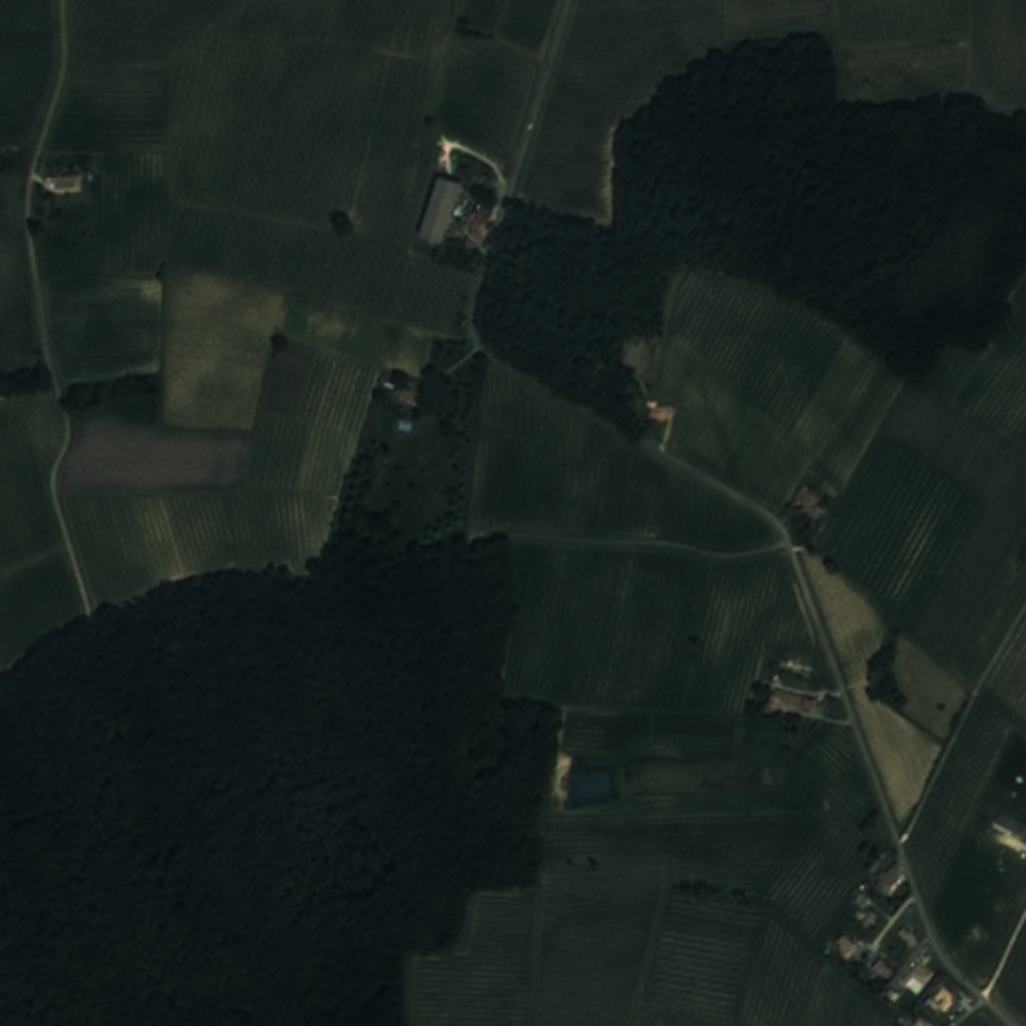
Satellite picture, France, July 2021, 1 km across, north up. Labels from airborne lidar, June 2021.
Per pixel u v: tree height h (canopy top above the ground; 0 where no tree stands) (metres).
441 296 0
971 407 0
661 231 20
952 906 0
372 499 0
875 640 0
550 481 0
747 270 16
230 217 0
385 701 20
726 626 0
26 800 23
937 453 0
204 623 19
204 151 0
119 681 25
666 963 0
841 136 26
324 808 28
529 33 0
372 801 29
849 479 0
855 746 0
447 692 24
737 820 0
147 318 0
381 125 0
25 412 0
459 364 0
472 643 22
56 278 0
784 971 0
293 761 17
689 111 22
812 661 0
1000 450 0
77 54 0
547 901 0
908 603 0
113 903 19
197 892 21
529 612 0
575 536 0
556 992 0
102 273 0
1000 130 11
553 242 20
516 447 0
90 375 0
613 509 0
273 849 17
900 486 0
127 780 27
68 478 0
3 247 0
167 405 0
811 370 0
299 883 23
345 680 21
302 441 0
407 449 0
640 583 0
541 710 17
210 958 21
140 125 0
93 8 0
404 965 11
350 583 19
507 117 0
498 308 15
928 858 0
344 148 0
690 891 19
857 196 19
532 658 0
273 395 0
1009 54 0
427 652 21
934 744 0
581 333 21
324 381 0
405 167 0
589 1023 0
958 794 0
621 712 0
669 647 0
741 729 0
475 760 22
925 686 0
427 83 0
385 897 25
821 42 18
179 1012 20
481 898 0
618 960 0
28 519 0
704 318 0
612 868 0
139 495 0
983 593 0
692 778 0
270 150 0
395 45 0
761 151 27
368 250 0
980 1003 0
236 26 0
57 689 25
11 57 0
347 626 22
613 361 19
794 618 0
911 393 0
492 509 0
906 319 16
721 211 20
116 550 0
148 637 26
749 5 0
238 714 21
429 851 28
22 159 0
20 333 0
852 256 22
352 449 0
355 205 0
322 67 0
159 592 13
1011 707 0
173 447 0
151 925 23
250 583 16
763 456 0
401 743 24
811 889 0
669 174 18
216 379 0
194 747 22
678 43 0
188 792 17
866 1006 0
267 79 0
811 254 24
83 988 18
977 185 16
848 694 0
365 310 0
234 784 26
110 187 0
